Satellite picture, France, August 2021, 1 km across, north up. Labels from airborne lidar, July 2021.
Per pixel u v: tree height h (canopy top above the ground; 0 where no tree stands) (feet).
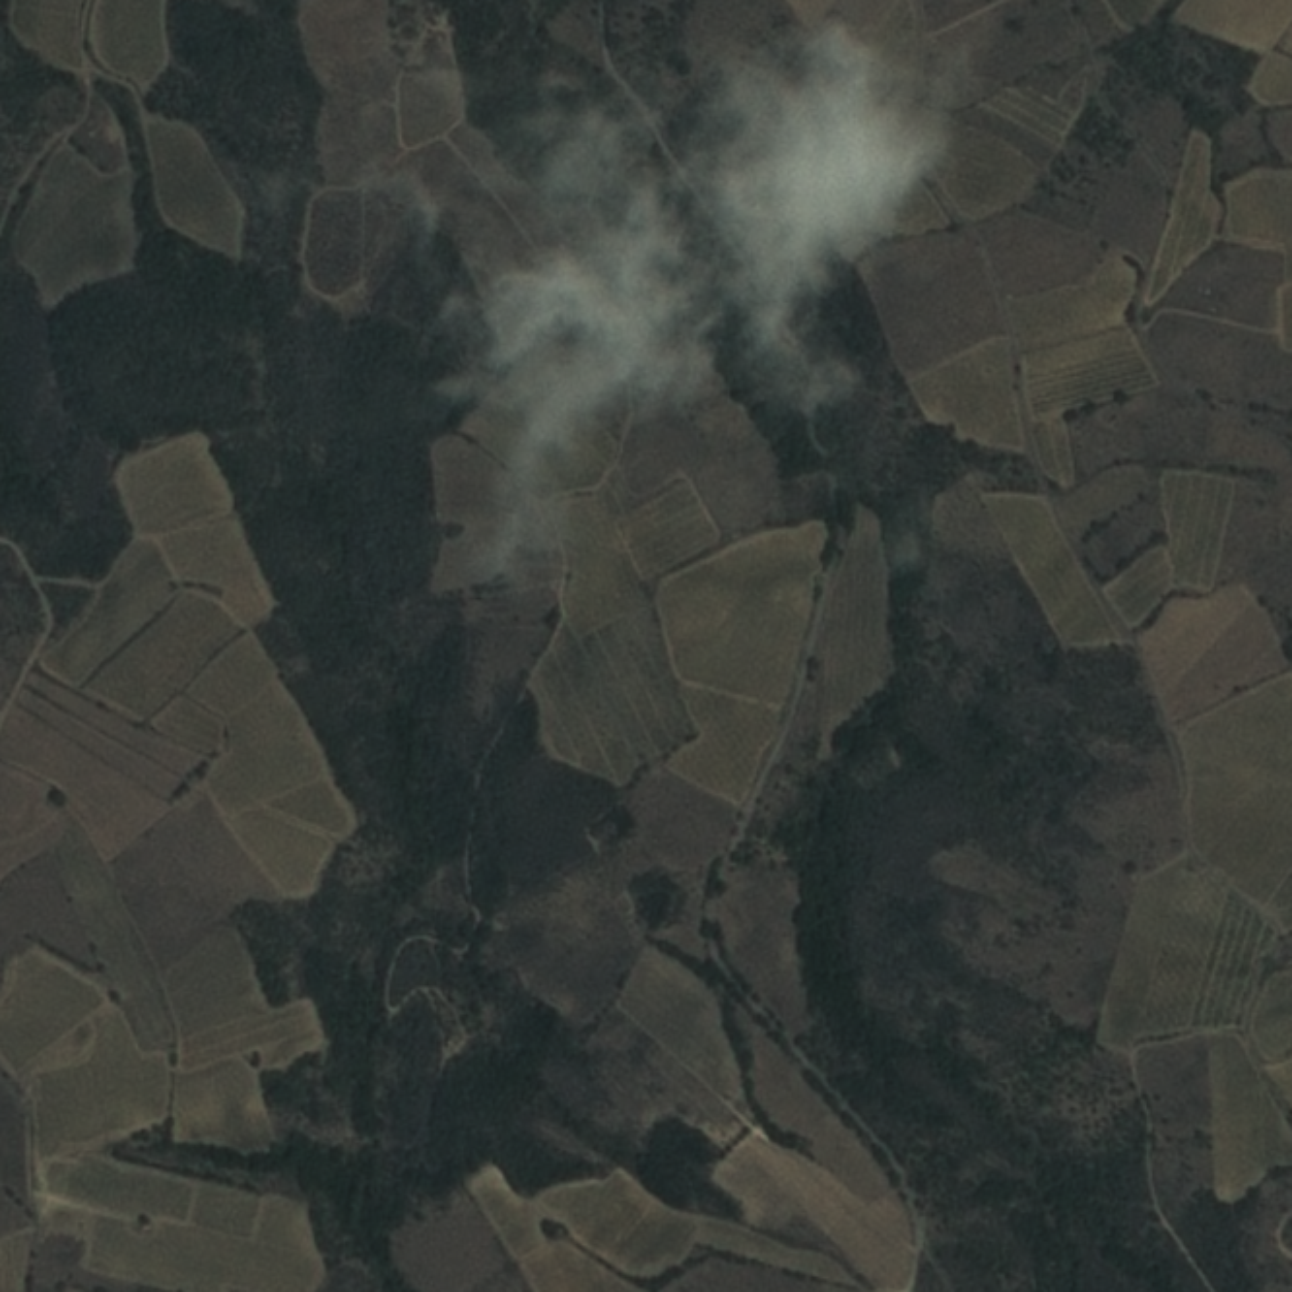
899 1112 23
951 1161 20
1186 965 0
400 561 19
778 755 0
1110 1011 0
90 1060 0
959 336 0
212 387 22
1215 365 0
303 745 0
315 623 21
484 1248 0
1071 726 19
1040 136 0
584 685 0
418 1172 27
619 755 0
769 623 0
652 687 0
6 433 21
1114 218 0
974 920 0
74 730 0
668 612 0
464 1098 20
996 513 0
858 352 21
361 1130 26
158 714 0
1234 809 0
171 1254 0
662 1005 0
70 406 26
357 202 0
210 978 0
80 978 0
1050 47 0
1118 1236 34
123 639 0
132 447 21
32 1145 0
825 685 0
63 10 0
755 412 24
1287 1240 0
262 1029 0
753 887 0
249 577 0
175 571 0
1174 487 0
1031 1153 33
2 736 0
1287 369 0
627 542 0
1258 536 0
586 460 0
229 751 0
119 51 0
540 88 32
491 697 0
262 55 18
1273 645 0
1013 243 0
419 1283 0
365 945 26
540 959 0
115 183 0
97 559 18
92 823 0
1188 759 0
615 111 26
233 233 0
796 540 0
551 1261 0
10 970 0
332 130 0
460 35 19
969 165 0
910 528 23
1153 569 0
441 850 25
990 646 0
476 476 0
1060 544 0
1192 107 38
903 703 20
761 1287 0
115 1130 0
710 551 0
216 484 0
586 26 0
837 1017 25
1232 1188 0
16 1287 0
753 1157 0
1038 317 0
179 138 0
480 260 0
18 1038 0
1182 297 0
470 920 19
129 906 0
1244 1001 0
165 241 26
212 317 18
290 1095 22
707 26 0
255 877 0
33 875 0
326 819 0
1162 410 0
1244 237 0
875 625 0
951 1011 18
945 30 0
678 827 0
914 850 0
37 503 20
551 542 0
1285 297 0
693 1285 0
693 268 23
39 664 0
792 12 0
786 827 22
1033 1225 29
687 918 0
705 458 0
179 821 0
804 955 29
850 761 29
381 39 0
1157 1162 0
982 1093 34
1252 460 0
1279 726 0
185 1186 0
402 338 28
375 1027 21
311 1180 20
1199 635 0
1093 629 0
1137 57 18
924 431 18
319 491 31
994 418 0
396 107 0
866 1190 0
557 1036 20
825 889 47
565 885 0
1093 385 0
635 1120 0
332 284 0
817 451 33
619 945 0
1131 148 21
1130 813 0
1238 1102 0
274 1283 0
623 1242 0
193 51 19
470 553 0
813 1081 23
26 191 32
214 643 0
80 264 0
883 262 0
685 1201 21
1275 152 0
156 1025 0
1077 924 0
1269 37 0
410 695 24
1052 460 0
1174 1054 0
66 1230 0
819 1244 0
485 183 0
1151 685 0
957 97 0
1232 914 0
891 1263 0
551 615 18
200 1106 0
